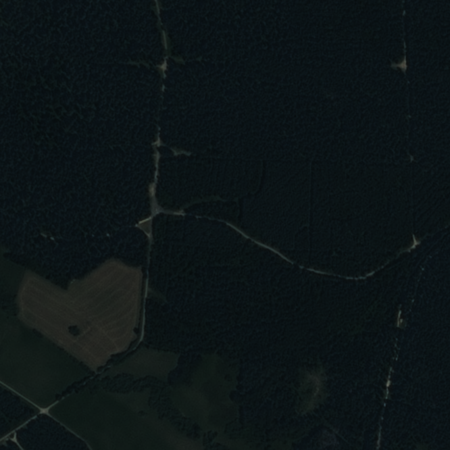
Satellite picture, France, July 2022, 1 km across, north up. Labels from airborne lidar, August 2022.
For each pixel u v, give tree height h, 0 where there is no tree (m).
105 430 0
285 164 23
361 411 35
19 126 23
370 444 32
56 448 19
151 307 14
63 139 19
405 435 32
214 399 0
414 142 29
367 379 36
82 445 14
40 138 14
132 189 31
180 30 32
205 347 15
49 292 0
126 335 0
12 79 17
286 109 24
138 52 30
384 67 33
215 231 19
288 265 14
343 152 30
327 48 28
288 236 19
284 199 20
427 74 25
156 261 10
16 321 0
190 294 17
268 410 35
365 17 22
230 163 17
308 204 20
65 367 0
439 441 31
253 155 20
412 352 32
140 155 30
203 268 20
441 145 26
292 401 15
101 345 0
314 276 13
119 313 0
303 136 26
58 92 22
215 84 26
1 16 7
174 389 16
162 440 0
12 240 21
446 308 25
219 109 21
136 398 0
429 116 29
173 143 24
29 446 20
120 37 22
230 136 28
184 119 30
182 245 8
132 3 34
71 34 30
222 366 0
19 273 0
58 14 37
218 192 20
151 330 11
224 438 0
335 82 21
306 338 13
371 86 25
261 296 16
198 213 14
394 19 26
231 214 16
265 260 14
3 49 32
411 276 19
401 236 17
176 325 19
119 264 0
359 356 19
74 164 27
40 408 0
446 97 31
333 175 18
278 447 0
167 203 14
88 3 37
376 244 17
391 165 22
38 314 0
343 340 13
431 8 25
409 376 7
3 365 0
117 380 7
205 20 33
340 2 23
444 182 17
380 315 13
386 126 31
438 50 22
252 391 25
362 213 20
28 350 0
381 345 28
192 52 31
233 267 11
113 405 0
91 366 0
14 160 31
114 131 33
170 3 26
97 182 30
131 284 0
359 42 26
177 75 31
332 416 22
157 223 15
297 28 25
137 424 0
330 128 27
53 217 35
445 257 27
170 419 6
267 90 27
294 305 14
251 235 12
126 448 0
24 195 29
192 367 24
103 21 35
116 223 34
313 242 16
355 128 25
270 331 24
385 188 14
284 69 23
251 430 6
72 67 36
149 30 32
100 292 0
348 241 21
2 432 17
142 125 31
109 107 37
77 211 23
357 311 9
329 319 10
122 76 36
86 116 31
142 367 0
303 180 17
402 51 20
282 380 21
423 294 26
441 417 28
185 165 19
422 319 26
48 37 40
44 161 21
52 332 0
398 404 30
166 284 13
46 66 10
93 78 30
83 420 0
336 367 16
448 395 31
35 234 11
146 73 34
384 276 14
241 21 16
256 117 21
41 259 28
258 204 20
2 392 16
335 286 19
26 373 0
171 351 7
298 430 17
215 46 33
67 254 20
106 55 33
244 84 25
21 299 0
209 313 20
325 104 29
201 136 26
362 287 24
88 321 0
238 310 15
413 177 20
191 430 7
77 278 15
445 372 28
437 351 28
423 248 14
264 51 26
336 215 15
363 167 19
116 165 32
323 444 17
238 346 14
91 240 23
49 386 0
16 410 19
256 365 26
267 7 21
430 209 18
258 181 14
